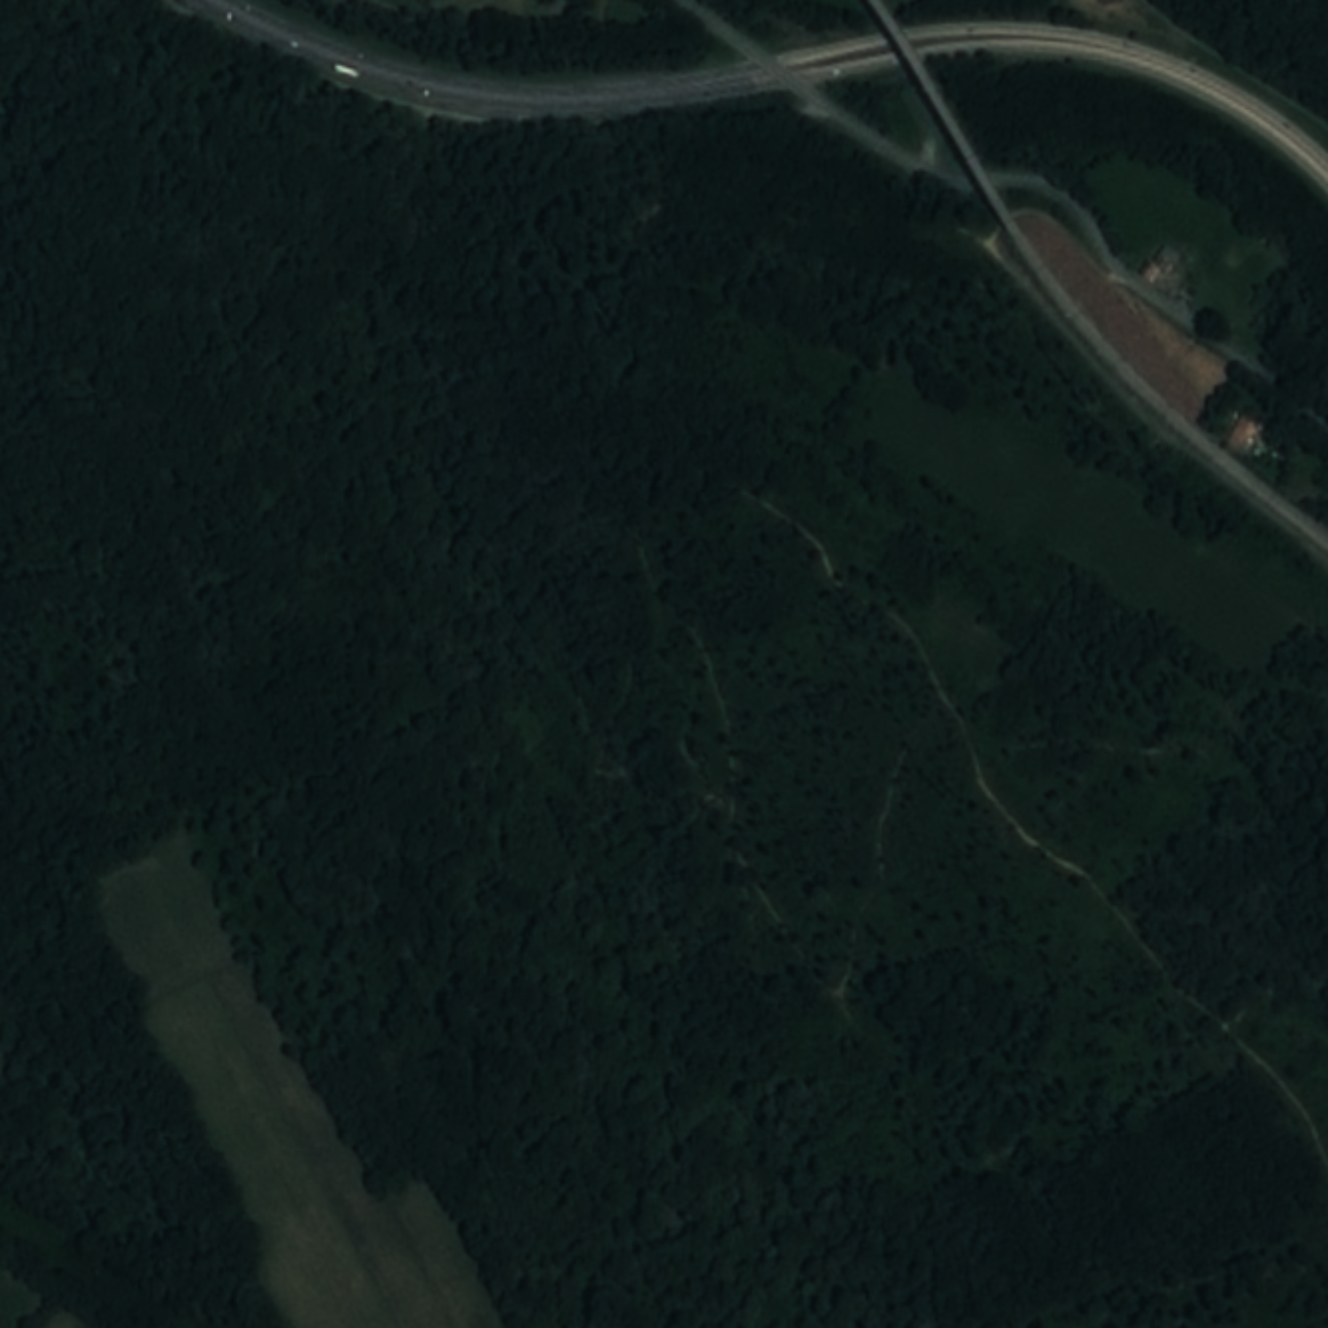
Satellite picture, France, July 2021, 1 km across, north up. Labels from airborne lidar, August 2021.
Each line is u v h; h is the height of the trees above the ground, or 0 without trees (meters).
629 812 11
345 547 24
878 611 17
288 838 31
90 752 25
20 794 24
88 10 22
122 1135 18
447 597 13
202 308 20
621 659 19
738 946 18
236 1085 0
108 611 18
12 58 30
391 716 14
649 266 20
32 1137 25
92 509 21
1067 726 10
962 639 0
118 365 18
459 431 17
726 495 10
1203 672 21
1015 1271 20
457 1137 28
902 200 14
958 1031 22
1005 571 6
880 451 13
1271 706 18
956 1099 14
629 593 17
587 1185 30
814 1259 15
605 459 19
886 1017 23
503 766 16
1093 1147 20
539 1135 25
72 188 23
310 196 28
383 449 33
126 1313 19
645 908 21
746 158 12
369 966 24
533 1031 24
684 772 24
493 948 10
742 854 17
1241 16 20
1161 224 0
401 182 21
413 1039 27
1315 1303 13
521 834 16
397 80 0
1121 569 0
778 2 18
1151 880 19
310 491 21
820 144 24
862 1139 9
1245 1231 17
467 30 13
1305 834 16
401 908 27
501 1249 25
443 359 26
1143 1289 15
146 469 24
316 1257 0
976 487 0
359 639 19
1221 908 18
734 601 13
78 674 8
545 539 18
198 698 21
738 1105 12
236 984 0
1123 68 0
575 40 20
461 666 18
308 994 20
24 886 20
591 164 27
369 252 25
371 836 27
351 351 24
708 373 9
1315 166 0
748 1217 28
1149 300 0
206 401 21
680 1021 14
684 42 18
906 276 9
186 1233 24
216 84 12
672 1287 27
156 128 21
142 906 0
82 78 23
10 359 13
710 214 10
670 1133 18
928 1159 17
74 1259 7
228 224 22
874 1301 26
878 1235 22
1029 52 0
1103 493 0
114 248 25
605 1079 12
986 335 23
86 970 23
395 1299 0
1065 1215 19
